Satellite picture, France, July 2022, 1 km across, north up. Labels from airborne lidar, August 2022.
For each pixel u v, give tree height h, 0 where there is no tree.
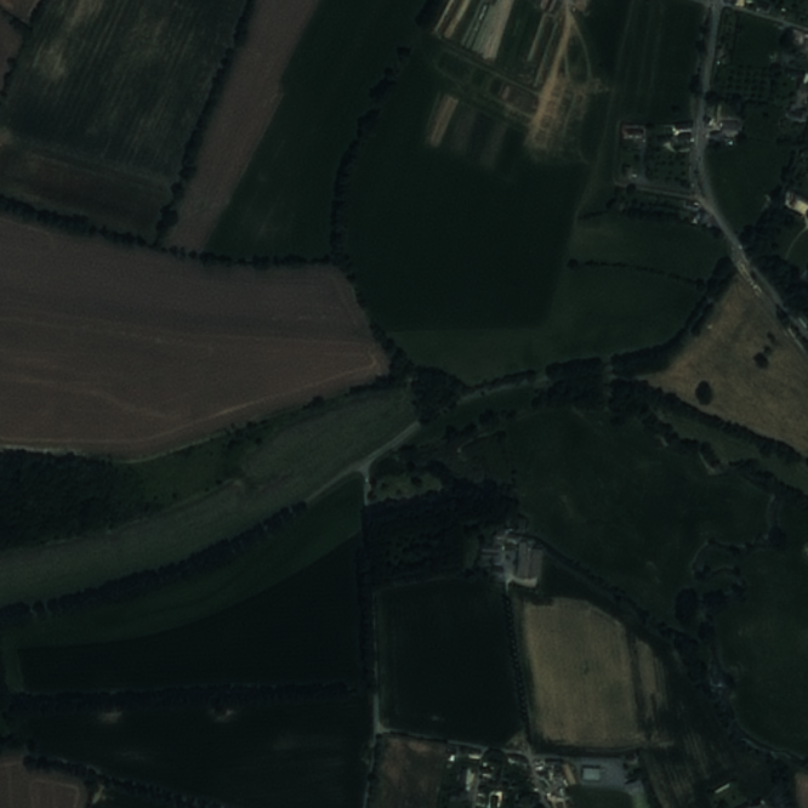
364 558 28
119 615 0
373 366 0
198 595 0
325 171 0
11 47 0
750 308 0
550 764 0
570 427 0
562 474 0
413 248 0
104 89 0
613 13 0
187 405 0
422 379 22
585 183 0
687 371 0
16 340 0
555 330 0
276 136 0
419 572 8
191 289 0
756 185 0
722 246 0
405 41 0
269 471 0
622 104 0
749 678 0
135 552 0
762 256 19
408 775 0
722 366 0
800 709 0
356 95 0
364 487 0
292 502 0
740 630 0
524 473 0
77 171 0
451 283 0
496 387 9
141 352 0
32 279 0
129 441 0
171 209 8
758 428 0
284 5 0
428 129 0
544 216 0
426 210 0
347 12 0
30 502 20
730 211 0
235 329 0
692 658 27
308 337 0
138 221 0
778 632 0
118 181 0
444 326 0
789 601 0
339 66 0
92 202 0
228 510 0
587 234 0
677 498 0
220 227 0
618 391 22
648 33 0
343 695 24
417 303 0
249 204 0
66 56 0
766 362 13
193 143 13
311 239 0
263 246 0
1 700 29
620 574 0
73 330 0
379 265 0
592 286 0
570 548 0
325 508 0
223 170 0
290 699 25
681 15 0
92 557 0
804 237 0
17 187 0
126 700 25
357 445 0
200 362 0
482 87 0
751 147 0
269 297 0
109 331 0
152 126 0
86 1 0
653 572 0
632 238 0
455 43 0
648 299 0
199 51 0
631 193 11
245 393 0
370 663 23
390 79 14
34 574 0
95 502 17
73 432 0
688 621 24
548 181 0
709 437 0
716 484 0
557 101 0
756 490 0
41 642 0
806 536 0
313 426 0
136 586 30
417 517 28
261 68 0
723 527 0
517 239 0
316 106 0
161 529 0
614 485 0
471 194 0
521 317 0
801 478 0
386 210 0
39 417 0
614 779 0
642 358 17
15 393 0
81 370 0
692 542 0
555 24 0
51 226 11
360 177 0
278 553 0
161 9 0
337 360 0
